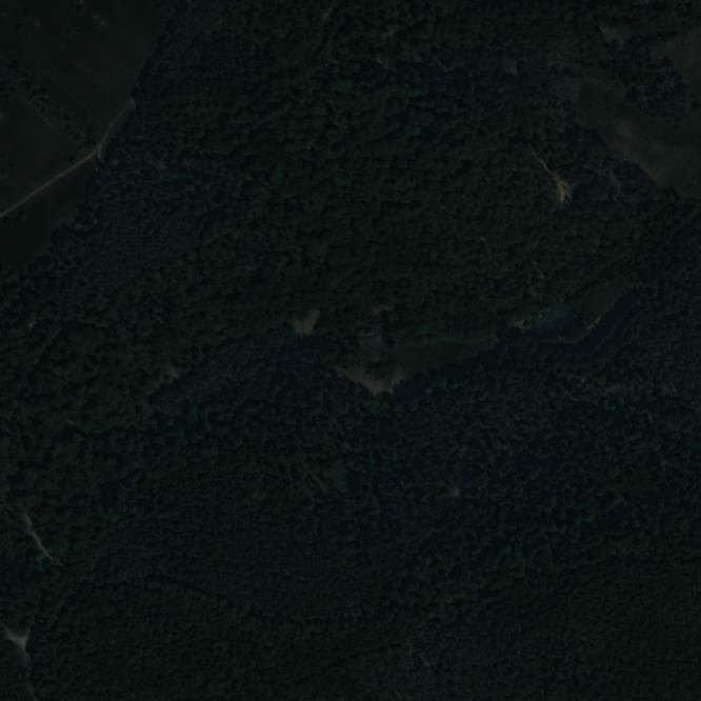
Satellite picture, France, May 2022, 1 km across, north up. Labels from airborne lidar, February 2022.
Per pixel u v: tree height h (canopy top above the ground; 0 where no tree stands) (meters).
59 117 9
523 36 36
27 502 34
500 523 40
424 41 37
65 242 26
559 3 32
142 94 19
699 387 9
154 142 14
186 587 27
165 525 9
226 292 14
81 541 25
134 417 27
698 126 0
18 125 0
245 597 15
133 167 16
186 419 35
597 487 34
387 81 37
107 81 0
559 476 41
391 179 34
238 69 6
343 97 41
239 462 12
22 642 0
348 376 0
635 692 26
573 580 24
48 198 0
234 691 26
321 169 29
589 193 22
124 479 35
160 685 25
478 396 37
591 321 0
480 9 34
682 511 30
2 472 33
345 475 0
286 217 37
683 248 26
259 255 38
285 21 18
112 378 22
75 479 25
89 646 26
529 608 27
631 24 30
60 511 37
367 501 34
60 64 0
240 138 31
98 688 25
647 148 0
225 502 14
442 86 36
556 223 32
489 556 33
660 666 25
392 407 35
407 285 34
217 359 22
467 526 25
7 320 18
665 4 26
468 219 33
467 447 34
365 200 34
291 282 33
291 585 14
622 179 27
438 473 10
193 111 22
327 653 24
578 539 25
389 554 14
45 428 36
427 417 39
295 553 15
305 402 37
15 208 0
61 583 23
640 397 8
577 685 22
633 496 11
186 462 35
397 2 33
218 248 34
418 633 22
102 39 0
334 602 11
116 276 32
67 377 38
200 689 26
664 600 23
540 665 23
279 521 16
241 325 39
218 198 29
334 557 14
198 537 19
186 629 23
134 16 0
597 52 29
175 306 38
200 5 14
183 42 16
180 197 37
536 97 34
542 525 36
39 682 23
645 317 27
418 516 8
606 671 22
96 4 0
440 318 23
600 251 34
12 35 0
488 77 38
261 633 25
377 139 40
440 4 31
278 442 14
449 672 22
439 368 0
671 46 0
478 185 31
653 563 26
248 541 13
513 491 37
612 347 33
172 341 40
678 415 30
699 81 0
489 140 32
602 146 33
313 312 11
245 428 39
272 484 15
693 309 23
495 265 30
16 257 0
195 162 34
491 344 0
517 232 30
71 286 27
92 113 0
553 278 31
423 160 36
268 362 27
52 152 0
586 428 28
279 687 26
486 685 20
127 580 14
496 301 31
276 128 28
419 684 23
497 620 26
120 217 32
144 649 25
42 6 0
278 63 20
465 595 26
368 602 13
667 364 26
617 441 36
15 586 33
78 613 22
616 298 0
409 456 36
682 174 0
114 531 28
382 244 32
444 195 32
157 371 38
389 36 0
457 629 25
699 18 32
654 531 31
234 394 38
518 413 38
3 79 25
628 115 0
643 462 10
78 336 34
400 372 0
